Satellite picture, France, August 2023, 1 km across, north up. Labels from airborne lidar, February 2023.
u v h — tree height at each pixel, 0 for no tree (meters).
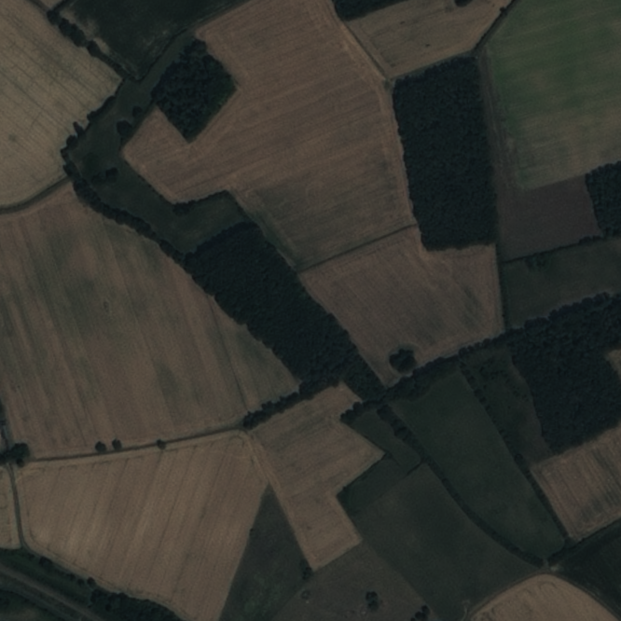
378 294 0
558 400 19
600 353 19
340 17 14
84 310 0
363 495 0
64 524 0
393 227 0
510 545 6
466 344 0
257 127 0
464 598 0
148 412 0
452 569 0
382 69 0
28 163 0
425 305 0
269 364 0
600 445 0
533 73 0
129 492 0
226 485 0
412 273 0
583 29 0
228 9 0
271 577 0
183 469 0
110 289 0
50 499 0
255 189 0
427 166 22
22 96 0
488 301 0
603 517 0
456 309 0
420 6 0
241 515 0
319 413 0
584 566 0
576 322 20
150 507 0
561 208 0
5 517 0
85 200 18
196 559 0
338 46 0
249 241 20
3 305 0
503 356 0
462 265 0
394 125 0
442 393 0
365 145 0
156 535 0
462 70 24
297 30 0
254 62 0
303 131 0
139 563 0
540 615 0
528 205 0
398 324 0
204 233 0
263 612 0
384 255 0
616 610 0
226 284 18
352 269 0
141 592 0
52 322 0
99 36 0
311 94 0
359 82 0
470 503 0
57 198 0
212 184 0
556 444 18
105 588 0
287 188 0
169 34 0
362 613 0
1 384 0
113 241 0
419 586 0
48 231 0
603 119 0
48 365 0
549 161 0
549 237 0
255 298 16
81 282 0
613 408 19
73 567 0
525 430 0
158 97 16
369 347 0
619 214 21
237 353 0
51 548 0
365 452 0
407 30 0
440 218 21
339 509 0
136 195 0
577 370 18
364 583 0
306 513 0
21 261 0
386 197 0
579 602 0
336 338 20
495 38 0
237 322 11
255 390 0
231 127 0
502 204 0
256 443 0
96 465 0
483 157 18
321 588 0
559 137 0
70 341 0
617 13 0
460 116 23
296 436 0
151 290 0
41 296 0
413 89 22
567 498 0
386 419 15
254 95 0
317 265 0
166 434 0
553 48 0
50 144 0
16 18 0
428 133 23
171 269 0
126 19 0
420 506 0
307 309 19
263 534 0
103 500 0
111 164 0
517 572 0
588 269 0
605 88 0
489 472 0
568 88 0
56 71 0
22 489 0
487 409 6
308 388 16
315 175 0
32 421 0
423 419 0
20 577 0
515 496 0
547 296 0
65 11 0
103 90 0
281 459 0
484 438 0
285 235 0
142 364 0
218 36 0
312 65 0
